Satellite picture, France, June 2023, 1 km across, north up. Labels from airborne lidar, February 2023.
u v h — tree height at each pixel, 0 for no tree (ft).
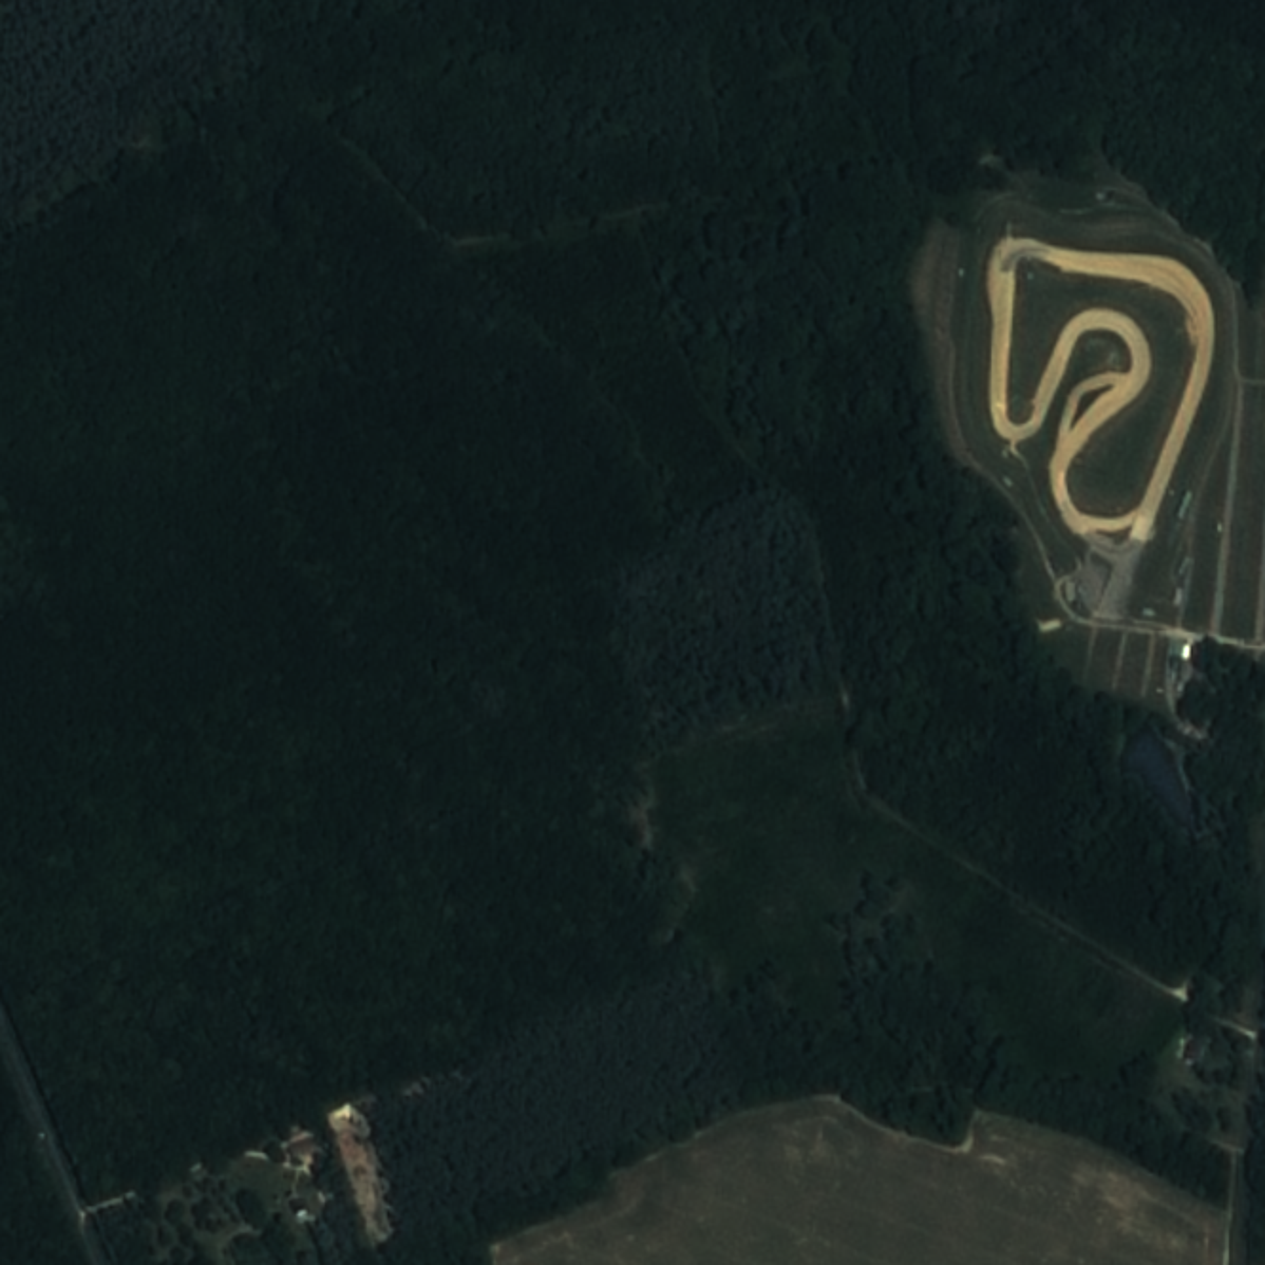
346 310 73
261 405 76
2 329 66
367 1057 80
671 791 0
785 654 96
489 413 84
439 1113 75
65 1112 73
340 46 81
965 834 21
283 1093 81
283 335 54
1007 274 0
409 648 77
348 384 68
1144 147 50
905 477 27
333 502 69
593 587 69
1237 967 72
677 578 86
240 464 63
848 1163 0
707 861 0
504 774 84
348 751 71
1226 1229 0
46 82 85
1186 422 0
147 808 50
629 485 72
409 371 79
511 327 68
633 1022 85
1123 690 0
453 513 63
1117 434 0
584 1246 0
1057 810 26
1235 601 0
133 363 66
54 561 71
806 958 0
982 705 29
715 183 65
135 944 66
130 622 71
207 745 66
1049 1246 0
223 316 56
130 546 72
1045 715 40
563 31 42
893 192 89
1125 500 0
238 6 70
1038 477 0
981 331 0
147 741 73
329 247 74
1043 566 0
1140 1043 0
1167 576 0
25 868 71
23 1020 57
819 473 29
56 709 80
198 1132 79
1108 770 58
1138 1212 0
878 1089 85
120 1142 72
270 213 73
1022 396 0
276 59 74
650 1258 0
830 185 72
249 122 73
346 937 63
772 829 0
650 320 20
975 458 0
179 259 62
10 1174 63
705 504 18
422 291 82
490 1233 68
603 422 83
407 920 68
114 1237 56
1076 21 70
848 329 82
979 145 90
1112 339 0
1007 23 72
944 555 28
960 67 76
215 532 72
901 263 75
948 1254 0
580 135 64
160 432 74
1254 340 0
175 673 78
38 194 92
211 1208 36
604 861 74
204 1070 73
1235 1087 41
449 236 36
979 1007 75
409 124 68
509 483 70
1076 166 71
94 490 64
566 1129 85
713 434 19
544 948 67
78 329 73
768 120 26
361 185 76
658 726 84
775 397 93
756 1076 72
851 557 28
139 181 78
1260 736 58
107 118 99
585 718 80
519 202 50
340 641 59
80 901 59
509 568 83
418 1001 64
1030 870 22
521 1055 82
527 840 70
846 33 72
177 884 61
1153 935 18
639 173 62
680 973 76
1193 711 55
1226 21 71
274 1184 0
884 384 81
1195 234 36
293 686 67
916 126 86
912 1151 0
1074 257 0
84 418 58
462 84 55
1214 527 0
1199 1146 73
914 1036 71
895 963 79
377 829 77
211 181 49
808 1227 0
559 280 31
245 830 54
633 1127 81
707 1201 0
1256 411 0
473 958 75
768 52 43
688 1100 78
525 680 68
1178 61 58
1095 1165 0
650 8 80
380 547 72
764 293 91
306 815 63
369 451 62
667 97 67
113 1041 69
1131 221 0
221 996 59
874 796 50
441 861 72
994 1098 74
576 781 68
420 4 69
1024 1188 0
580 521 86
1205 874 76
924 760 59
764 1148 0
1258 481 0
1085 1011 0
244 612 68
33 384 67
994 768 22
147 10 78
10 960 60
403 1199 74
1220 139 50
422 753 69
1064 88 57
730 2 70
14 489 67
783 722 0
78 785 73
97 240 72
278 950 62
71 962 63
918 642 25
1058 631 0
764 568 68
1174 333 0
